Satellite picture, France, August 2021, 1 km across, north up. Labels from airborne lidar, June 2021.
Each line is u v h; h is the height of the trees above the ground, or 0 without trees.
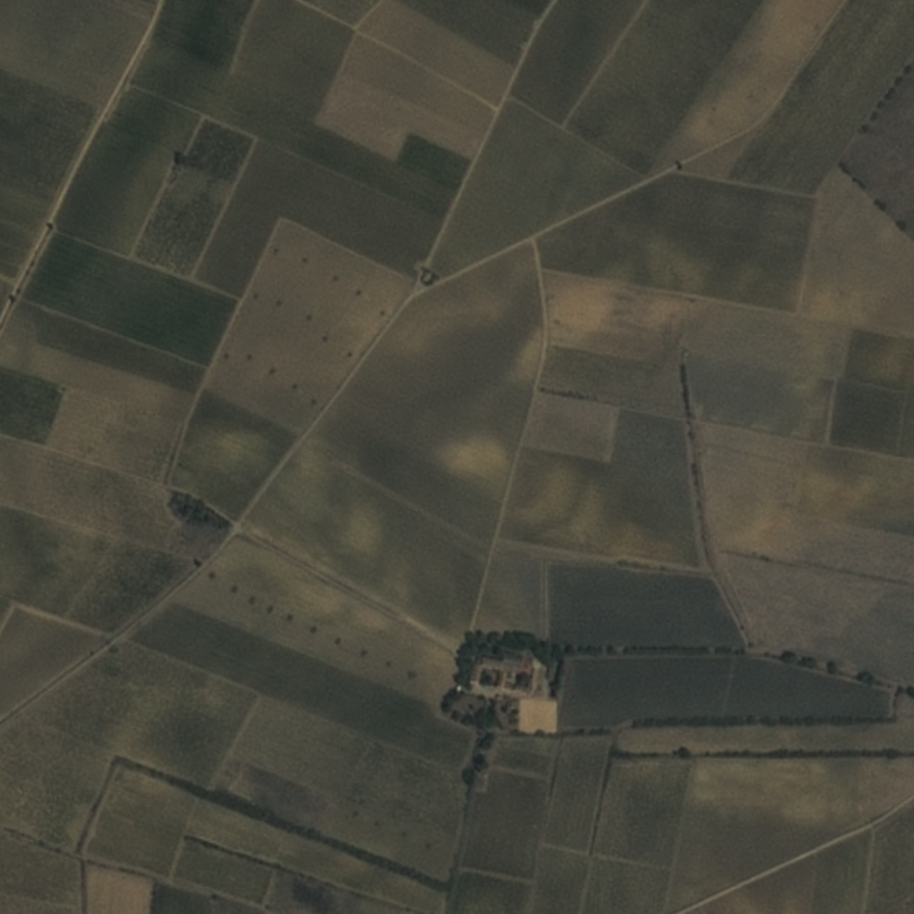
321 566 0
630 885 0
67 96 0
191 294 0
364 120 0
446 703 11
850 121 0
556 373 0
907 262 0
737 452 0
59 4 0
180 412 0
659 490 0
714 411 0
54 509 0
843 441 0
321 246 0
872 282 0
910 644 0
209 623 0
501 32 0
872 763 0
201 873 0
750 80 0
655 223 0
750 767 0
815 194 0
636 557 0
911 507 0
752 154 0
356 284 0
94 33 0
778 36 0
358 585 0
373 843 0
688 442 0
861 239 0
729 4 0
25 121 0
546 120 0
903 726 0
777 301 0
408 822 0
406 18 0
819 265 0
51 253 0
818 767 0
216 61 0
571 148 0
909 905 0
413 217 0
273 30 0
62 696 0
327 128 0
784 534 0
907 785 0
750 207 0
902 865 0
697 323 0
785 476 0
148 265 0
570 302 0
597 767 0
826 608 0
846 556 0
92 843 0
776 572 0
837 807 0
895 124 0
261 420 0
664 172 0
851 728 0
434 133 0
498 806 0
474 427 0
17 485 0
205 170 0
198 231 0
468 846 0
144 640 0
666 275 0
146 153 0
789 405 0
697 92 0
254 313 0
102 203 0
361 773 0
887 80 0
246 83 0
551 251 0
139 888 0
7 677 0
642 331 0
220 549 0
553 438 0
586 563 0
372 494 0
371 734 0
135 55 0
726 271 0
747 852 0
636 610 0
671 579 0
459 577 0
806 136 0
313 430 0
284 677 0
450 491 0
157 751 0
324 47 0
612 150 0
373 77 0
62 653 0
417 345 0
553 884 0
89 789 0
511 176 0
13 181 0
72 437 0
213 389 0
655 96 0
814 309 0
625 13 0
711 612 0
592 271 0
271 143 0
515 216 0
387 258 0
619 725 0
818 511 0
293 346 0
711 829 0
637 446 0
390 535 0
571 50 0
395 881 0
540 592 0
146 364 0
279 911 0
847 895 0
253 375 0
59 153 0
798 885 0
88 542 0
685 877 0
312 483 0
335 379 0
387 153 0
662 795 0
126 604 0
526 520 0
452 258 0
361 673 0
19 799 0
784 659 9
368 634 0
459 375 0
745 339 0
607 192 0
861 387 0
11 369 0
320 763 0
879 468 0
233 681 0
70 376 0
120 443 0
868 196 0
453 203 0
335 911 0
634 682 0
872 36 0
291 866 0
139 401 0
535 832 0
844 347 0
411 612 0
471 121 0
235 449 0
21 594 0
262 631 0
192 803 0
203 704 0
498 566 0
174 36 0
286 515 0
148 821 0
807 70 0
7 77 0
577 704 0
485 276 0
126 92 0
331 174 0
